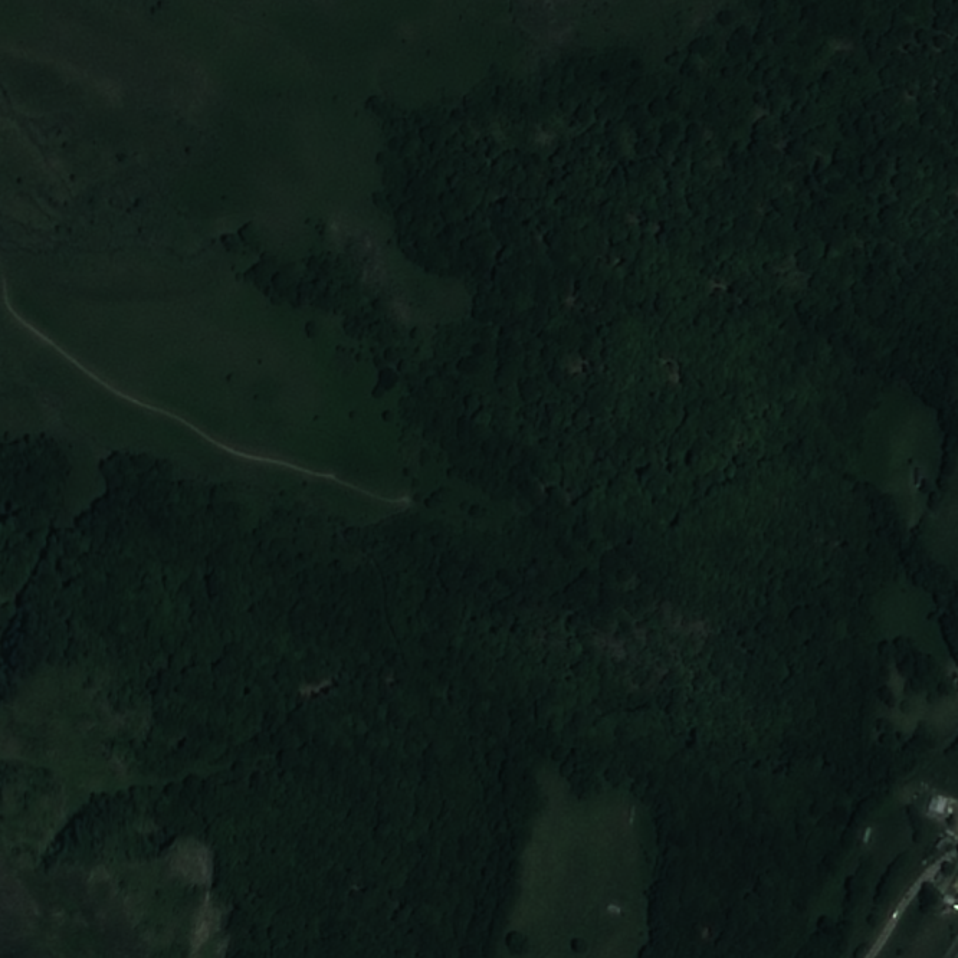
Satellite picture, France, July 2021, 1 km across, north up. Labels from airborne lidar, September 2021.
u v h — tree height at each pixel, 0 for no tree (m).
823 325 23
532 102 8
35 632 13
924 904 12
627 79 8
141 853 12
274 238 0
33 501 27
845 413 23
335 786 29
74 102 0
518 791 24
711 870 22
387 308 13
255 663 34
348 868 30
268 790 21
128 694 23
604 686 17
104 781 0
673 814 27
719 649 15
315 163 0
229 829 24
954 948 0
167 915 0
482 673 16
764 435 25
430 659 8
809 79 6
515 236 28
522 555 13
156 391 0
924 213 17
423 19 0
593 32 0
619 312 14
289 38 0
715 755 39
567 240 33
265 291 8
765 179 22
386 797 33
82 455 0
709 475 28
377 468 0
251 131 0
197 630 29
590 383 21
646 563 27
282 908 27
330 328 0
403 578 19
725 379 23
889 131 20
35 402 0
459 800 19
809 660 32
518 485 15
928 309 17
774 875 24
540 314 27
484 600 12
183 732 22
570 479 23
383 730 33
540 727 7
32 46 0
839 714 25
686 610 9
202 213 0
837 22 10
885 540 17
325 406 0
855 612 21
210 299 0
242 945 10
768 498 14
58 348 0
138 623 16
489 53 0
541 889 0
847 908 8
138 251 0
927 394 20
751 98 7
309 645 27
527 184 34
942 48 26
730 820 17
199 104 0
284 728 27
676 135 18
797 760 26
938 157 25
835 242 30
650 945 9
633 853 0
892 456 0
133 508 27
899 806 0
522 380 11
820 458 23
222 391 0
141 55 0
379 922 35
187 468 0
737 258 19
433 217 21
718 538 29
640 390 24
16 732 0
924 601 0
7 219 0
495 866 16
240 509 10
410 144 16
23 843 7
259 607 26
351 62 0
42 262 0
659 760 27
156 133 0
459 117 16
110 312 0
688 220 17
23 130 0
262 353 0
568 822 0
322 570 9
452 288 0
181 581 24
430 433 8
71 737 0
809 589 26
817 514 22
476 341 9
